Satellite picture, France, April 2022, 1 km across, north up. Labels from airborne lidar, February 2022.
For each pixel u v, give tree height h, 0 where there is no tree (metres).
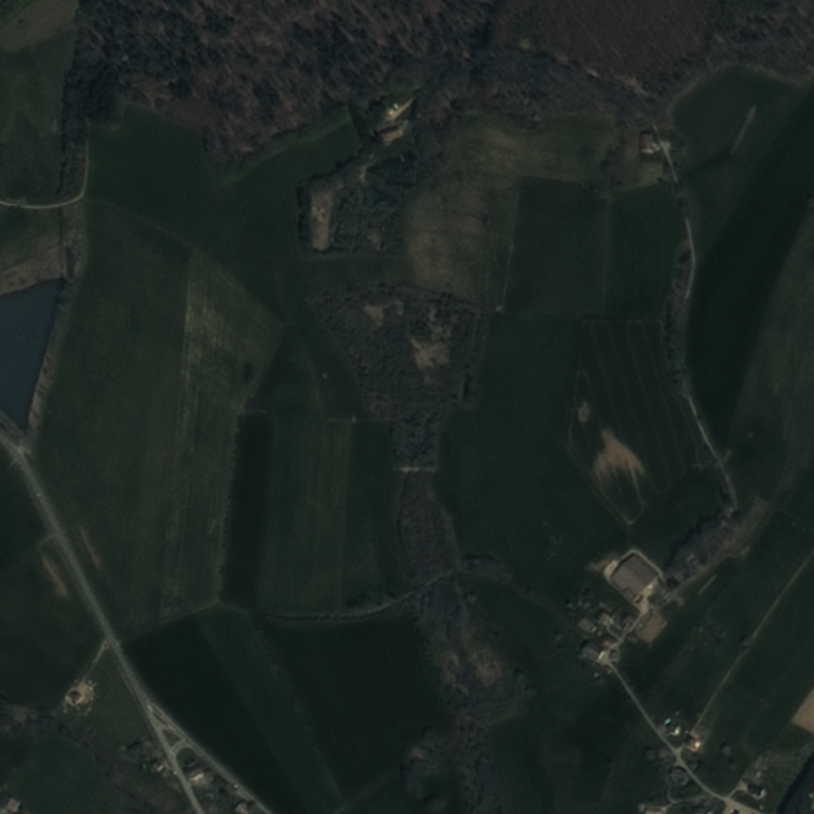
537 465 0
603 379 0
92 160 0
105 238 0
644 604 0
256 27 27
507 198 0
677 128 0
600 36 16
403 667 0
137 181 0
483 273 0
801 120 0
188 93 20
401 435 9
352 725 0
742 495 0
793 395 0
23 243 0
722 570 0
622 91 32
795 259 0
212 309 0
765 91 0
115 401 0
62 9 0
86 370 0
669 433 0
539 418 0
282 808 0
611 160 11
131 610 0
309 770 0
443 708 0
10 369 0
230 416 0
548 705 0
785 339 0
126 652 0
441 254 0
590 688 0
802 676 0
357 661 0
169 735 0
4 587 0
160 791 0
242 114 20
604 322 0
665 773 6
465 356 11
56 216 0
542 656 0
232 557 0
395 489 0
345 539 0
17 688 0
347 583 0
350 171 20
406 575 0
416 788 22
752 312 0
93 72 22
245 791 0
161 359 0
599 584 0
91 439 0
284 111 27
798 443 0
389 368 9
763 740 0
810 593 0
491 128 0
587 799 0
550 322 0
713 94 0
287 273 0
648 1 15
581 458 0
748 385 0
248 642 0
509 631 0
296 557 0
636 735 0
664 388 0
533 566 0
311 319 0
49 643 0
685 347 19
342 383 0
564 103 30
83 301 0
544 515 0
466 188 0
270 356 0
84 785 0
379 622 0
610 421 0
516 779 0
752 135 0
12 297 0
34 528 0
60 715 0
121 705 0
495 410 0
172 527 0
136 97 12
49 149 0
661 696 0
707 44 14
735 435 0
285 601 0
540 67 33
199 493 0
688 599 0
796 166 0
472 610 10
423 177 9
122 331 0
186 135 0
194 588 0
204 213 0
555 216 0
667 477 0
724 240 0
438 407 10
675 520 0
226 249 0
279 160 0
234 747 0
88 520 0
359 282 0
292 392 0
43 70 0
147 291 0
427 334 10
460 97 30
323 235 0
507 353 0
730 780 0
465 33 26
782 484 0
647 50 12
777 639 0
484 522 0
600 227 0
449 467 0
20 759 0
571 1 14
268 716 0
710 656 0
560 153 0
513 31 14
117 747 0
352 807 0
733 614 0
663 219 0
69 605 0
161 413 0
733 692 0
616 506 0
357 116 27
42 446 0
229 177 17
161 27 25
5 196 0
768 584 0
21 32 0
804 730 0
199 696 0
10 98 0
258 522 0
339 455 0
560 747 0
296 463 0
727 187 0
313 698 0
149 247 0
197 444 0
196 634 0
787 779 0
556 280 0
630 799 0
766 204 0
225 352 0
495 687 0
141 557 0
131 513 0
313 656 0
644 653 0
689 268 20
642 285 0
